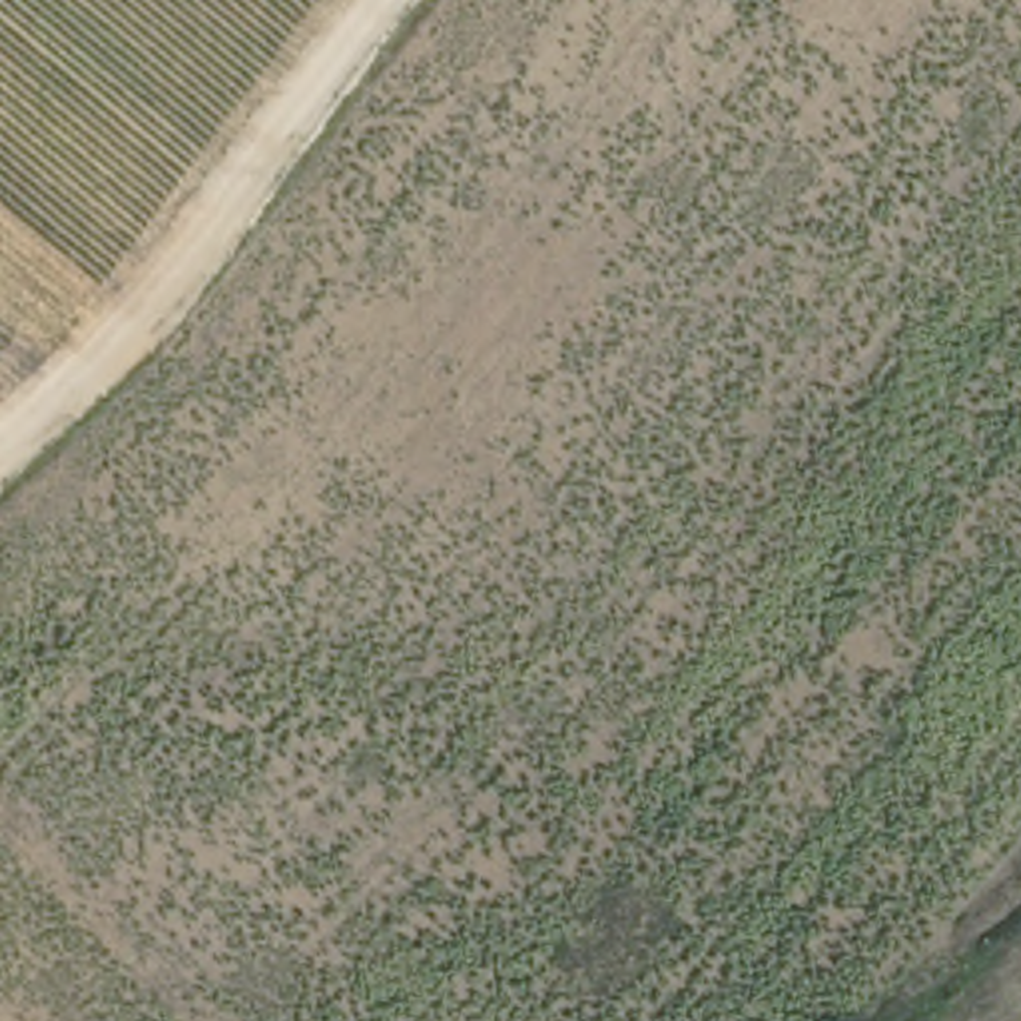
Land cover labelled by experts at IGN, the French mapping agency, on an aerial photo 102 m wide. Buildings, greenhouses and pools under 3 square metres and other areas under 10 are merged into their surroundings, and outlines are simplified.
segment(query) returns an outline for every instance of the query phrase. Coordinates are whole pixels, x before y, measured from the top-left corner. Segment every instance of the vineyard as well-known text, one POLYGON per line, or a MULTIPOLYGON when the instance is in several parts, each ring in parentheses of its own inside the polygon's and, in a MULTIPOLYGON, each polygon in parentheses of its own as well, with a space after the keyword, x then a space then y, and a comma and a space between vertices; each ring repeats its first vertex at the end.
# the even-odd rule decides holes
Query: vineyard
POLYGON ((199 199, 207 175, 247 136, 255 112, 279 96, 283 76, 303 64, 307 48, 331 32, 335 16, 351 0, 0 0, 0 407, 32 375, 40 375, 48 359, 68 351, 72 335, 96 323, 116 295, 140 283, 140 263, 171 239, 183 207, 199 199))

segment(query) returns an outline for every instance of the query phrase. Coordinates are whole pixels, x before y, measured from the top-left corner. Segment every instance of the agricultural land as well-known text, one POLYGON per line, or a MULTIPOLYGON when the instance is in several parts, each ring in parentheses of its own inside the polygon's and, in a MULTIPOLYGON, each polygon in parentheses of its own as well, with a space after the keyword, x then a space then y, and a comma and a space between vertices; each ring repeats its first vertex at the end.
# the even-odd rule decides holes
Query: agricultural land
POLYGON ((183 323, 168 339, 160 339, 120 383, 112 383, 80 419, 72 419, 52 443, 44 443, 16 475, 0 483, 0 1021, 941 1021, 945 1013, 989 1013, 997 989, 993 969, 1001 965, 1009 941, 1021 945, 1021 0, 419 0, 399 16, 395 32, 379 44, 355 92, 347 92, 335 104, 315 144, 279 175, 259 219, 243 227, 243 235, 223 255, 215 275, 199 287, 195 307, 183 315, 183 323))

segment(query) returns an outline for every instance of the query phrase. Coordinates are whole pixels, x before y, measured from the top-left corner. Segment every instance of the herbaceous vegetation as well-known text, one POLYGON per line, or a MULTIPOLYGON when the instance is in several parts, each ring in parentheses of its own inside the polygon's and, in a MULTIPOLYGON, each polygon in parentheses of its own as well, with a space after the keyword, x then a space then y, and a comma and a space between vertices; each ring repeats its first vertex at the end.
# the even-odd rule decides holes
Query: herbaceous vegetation
POLYGON ((997 989, 989 1013, 945 1013, 941 1021, 1021 1021, 1021 945, 1009 941, 1001 965, 993 969, 997 989))

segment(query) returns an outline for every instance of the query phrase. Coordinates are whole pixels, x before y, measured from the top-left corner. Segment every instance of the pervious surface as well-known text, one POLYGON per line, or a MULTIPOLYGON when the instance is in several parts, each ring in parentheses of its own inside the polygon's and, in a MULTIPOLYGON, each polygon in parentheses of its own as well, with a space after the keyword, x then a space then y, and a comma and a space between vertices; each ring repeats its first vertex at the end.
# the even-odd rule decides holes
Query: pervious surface
POLYGON ((351 0, 335 16, 331 32, 307 48, 303 64, 283 76, 279 96, 255 112, 247 136, 207 175, 199 199, 183 207, 171 239, 140 263, 140 283, 116 295, 96 323, 72 335, 68 351, 48 359, 40 375, 32 375, 0 407, 0 483, 16 475, 44 443, 52 443, 72 419, 80 419, 112 383, 120 383, 160 339, 168 339, 183 323, 183 315, 195 307, 199 287, 215 275, 223 255, 243 235, 243 227, 259 219, 279 175, 315 144, 335 104, 347 92, 355 92, 379 44, 395 32, 399 16, 419 0, 351 0))

